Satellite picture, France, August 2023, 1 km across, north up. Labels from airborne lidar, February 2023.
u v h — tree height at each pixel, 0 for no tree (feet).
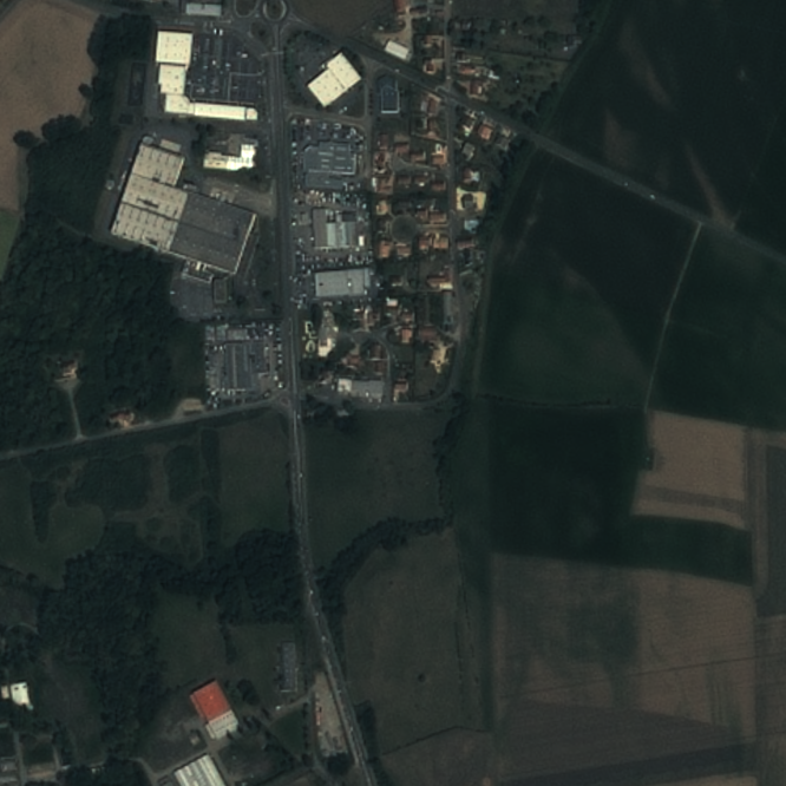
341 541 0
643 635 0
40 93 0
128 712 70
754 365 0
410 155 0
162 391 42
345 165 0
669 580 0
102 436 0
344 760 56
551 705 0
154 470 0
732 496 0
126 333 34
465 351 0
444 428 0
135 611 75
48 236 40
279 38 0
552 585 0
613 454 0
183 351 0
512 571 0
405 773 0
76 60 0
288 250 0
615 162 0
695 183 0
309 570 0
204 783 0
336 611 37
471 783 0
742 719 0
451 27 19
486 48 37
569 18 0
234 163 0
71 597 61
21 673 68
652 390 0
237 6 0
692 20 0
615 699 0
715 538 0
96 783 65
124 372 39
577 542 0
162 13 0
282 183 0
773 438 0
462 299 0
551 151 0
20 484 0
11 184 0
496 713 0
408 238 0
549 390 0
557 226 0
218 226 0
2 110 0
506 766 0
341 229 0
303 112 0
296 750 0
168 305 47
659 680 0
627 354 0
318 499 0
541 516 0
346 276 0
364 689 0
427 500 0
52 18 0
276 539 21
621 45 0
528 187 0
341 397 0
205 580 28
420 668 0
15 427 36
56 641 58
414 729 0
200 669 0
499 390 0
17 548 0
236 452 0
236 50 0
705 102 0
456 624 0
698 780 0
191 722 0
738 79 0
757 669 0
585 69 0
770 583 0
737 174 0
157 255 52
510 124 0
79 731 0
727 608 0
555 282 0
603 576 0
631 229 0
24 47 0
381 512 0
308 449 0
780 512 0
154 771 0
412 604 0
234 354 0
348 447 0
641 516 0
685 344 0
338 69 0
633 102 0
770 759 0
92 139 23
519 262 0
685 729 0
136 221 0
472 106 0
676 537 0
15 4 0
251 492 0
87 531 0
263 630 0
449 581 0
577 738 0
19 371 37
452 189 0
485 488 0
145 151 0
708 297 0
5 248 0
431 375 0
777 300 0
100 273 28
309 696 0
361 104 0
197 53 0
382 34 0
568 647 0
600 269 0
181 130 0
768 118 0
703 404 0
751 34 0
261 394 0
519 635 0
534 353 0
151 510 0
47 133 50
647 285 0
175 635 0
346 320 20
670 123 0
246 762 0
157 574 53
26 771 0
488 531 0
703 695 0
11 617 0
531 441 0
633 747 0
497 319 0
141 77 0
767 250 0
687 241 0
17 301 34
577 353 0
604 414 0
